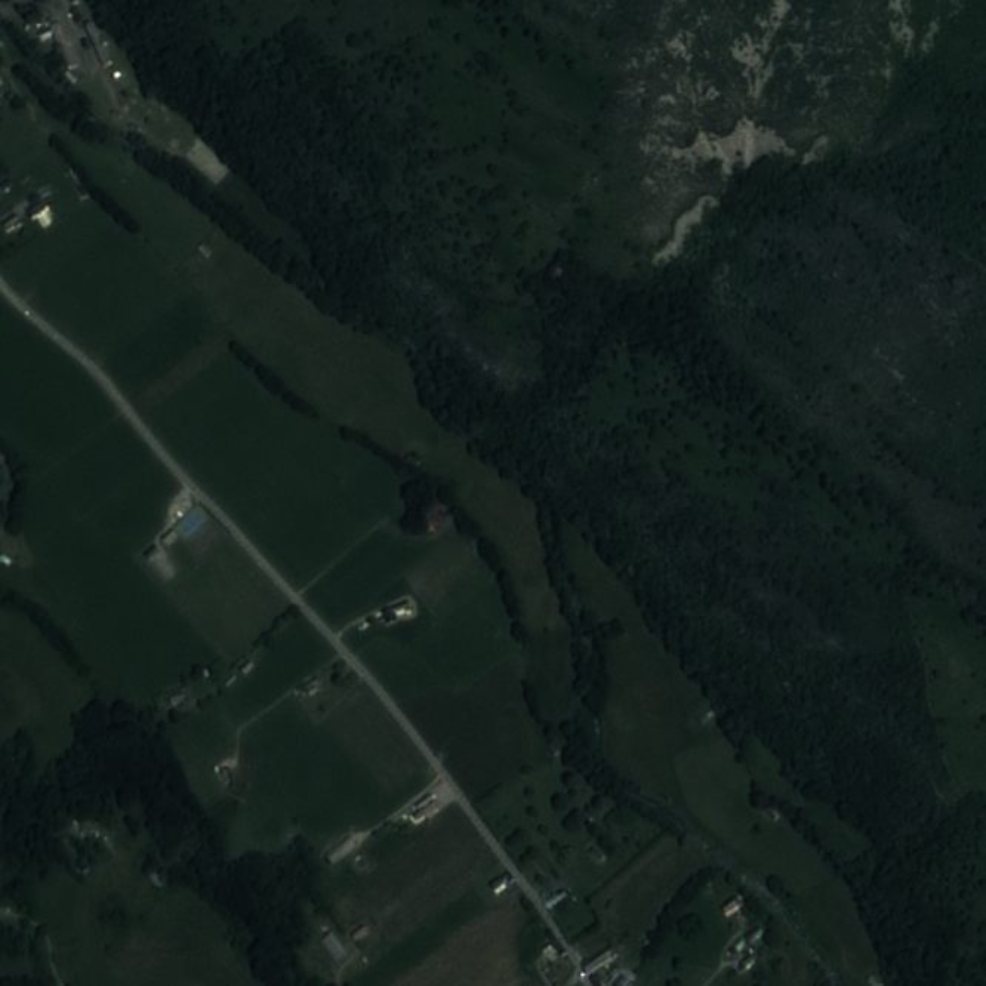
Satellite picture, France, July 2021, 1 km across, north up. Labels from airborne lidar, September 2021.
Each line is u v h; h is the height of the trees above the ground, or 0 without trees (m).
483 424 26
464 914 0
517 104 8
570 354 19
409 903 0
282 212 14
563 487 7
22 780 23
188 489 0
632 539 12
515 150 0
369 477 0
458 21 0
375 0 0
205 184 13
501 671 0
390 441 0
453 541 0
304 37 11
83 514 0
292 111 19
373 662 0
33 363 0
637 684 0
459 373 16
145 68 16
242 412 0
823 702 13
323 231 21
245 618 0
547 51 7
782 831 0
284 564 0
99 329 0
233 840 0
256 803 0
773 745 14
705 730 0
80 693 0
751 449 11
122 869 0
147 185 0
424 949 0
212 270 0
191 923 0
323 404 0
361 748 0
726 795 0
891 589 10
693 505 7
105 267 0
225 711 0
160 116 0
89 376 0
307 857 14
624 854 0
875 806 10
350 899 0
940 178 7
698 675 22
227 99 27
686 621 13
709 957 0
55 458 0
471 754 0
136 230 11
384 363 0
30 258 0
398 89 7
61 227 0
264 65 16
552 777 0
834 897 0
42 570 0
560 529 20
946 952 15
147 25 20
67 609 0
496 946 0
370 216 13
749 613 10
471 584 0
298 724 0
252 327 0
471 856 0
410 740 0
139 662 0
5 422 0
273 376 20
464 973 0
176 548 0
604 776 20
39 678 0
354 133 19
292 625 0
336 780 0
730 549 9
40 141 0
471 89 0
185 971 0
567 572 20
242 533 0
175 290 0
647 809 20
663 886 0
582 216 11
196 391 0
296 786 0
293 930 11
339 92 10
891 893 14
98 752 25
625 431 11
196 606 0
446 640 0
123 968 0
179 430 0
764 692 15
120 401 0
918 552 11
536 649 0
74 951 0
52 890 0
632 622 0
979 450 7
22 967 0
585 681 17
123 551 0
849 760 15
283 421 0
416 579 0
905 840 9
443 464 0
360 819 0
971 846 8
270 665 0
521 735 0
